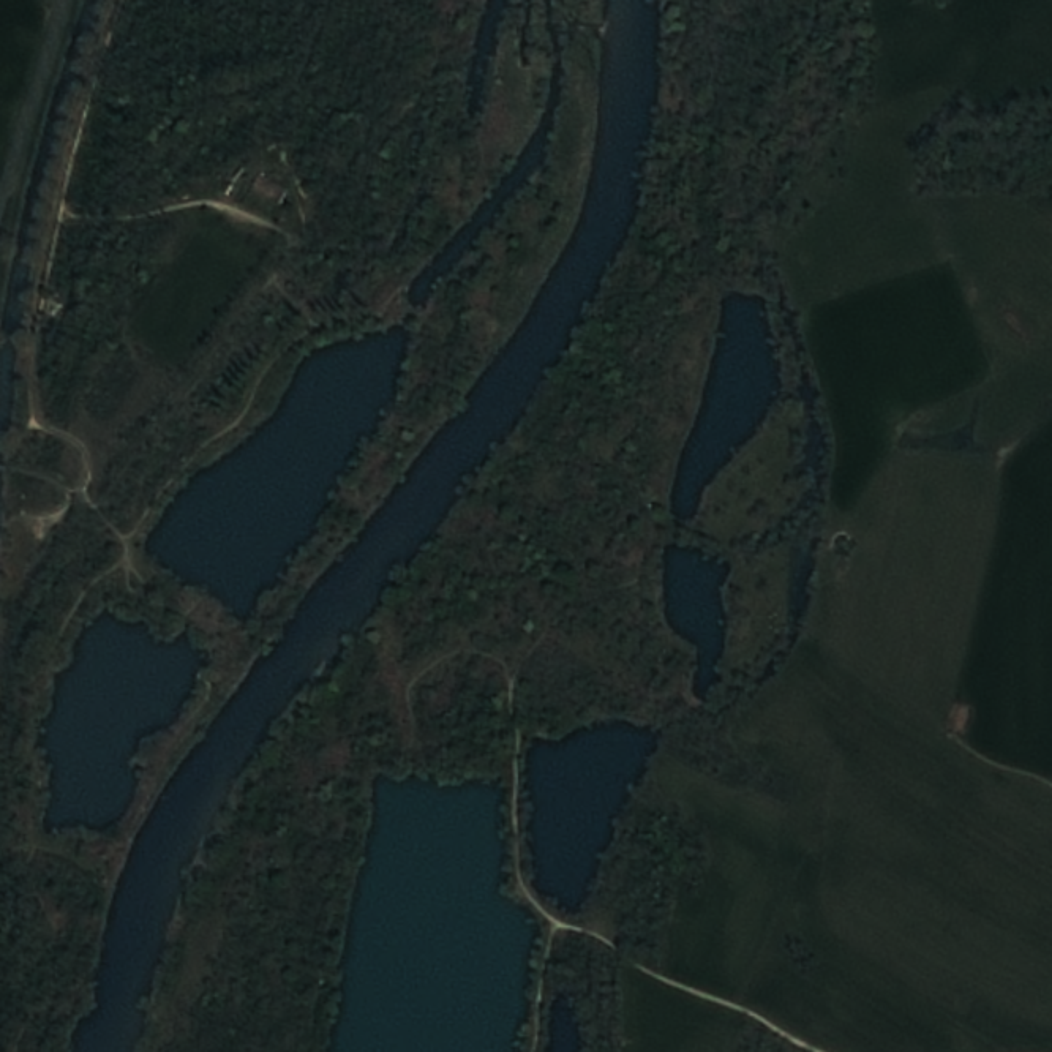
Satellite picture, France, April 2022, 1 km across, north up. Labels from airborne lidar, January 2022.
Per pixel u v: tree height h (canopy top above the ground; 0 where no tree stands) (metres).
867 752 0
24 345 29
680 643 0
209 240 0
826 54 12
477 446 0
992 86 0
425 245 14
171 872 0
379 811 0
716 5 19
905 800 0
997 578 0
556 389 11
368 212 17
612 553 13
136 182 20
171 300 0
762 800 0
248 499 0
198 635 12
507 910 0
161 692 0
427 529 0
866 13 9
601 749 0
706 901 0
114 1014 0
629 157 0
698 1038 0
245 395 9
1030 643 0
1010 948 0
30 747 25
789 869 0
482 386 0
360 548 0
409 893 0
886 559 0
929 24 0
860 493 0
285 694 0
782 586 0
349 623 0
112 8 25
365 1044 0
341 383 0
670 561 0
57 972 15
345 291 11
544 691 11
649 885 14
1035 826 0
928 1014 0
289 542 0
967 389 0
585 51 0
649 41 0
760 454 0
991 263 0
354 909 0
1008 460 0
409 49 9
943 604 0
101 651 0
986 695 0
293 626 0
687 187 16
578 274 0
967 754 0
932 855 0
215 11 23
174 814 0
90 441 0
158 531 0
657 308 9
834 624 0
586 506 12
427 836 0
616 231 0
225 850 16
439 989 0
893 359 0
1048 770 0
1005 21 0
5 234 7
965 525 0
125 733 0
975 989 0
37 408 0
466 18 14
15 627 19
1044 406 0
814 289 0
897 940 0
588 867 0
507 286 0
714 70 23
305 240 12
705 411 0
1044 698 0
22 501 0
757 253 11
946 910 0
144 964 0
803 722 0
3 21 0
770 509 14
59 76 0
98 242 14
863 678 0
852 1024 0
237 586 0
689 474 0
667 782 0
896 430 0
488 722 20
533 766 0
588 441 7
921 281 0
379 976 0
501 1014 0
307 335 0
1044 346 0
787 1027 0
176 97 21
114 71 27
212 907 0
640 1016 0
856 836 0
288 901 13
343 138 11
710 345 10
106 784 0
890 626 0
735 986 0
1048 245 0
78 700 0
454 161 0
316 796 8
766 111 23
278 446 0
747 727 0
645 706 15
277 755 20
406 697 0
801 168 16
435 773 13
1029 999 0
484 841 0
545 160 0
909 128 0
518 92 0
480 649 11
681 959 0
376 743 19
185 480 13
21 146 0
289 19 16
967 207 0
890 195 0
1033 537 0
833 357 0
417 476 0
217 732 0
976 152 27
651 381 7
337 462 0
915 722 0
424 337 7
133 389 0
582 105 0
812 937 0
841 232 0
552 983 14
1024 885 0
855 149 0
